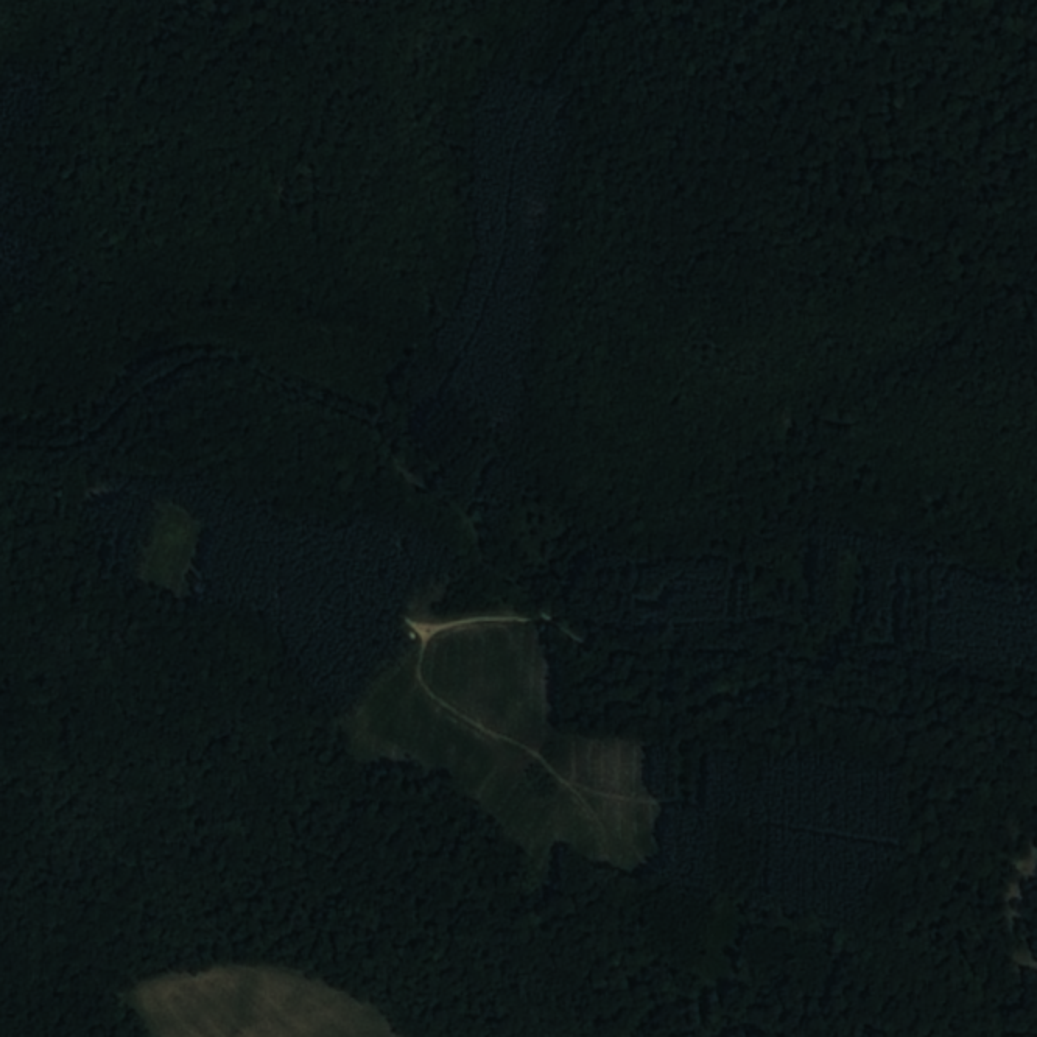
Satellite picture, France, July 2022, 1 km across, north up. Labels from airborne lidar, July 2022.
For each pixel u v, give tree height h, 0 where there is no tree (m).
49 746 19
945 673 18
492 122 28
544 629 16
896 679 21
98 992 18
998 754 24
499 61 22
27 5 16
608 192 23
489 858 15
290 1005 0
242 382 20
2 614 19
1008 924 18
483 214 25
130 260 18
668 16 23
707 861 25
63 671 22
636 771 0
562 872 26
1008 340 24
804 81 24
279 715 21
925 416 14
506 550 16
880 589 18
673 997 29
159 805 19
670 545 23
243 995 0
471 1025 17
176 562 0
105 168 21
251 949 16
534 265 24
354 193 18
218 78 20
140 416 18
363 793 12
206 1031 0
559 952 21
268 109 18
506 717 0
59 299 19
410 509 18
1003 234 23
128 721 20
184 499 26
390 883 20
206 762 18
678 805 21
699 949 11
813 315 15
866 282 18
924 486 20
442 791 23
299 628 25
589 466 19
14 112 26
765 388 17
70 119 17
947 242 19
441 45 19
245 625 22
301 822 18
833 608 23
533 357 21
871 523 25
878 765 18
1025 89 25
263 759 20
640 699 21
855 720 22
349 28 18
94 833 16
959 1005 25
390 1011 16
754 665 33
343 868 20
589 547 11
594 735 20
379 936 20
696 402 14
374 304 19
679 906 14
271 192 21
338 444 20
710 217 21
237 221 17
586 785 0
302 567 27
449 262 19
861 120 25
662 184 23
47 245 20
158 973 14
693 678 15
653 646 22
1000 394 19
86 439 14
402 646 25
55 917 18
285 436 20
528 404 20
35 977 18
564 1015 19
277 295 23
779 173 23
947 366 23
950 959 28
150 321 24
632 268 22
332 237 19
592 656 24
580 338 22
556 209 21
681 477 21
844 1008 22
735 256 23
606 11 18
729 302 18
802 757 22
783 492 24
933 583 26
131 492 24
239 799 18
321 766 14
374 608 28
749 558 23
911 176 22
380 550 25
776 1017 26
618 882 25
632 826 0
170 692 19
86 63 20
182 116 20
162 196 17
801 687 28
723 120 24
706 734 19
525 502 15
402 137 15
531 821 0
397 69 17
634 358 20
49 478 20
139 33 22
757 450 23
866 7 26
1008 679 19
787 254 19
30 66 21
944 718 27
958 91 25
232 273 17
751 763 15
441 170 18
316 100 19
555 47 13
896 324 15
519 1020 18
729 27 24
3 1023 15
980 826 26
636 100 22
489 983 19
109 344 24
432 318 20
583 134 20
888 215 21
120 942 19
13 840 19
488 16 20
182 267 19
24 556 24
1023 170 23
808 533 25
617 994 27
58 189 24
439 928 23
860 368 19
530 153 26
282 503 19
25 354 20
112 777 16
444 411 38
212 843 17
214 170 17
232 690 22
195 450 22
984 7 25
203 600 22
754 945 15
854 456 19
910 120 25
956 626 25
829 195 25
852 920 22
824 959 11
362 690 27
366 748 0
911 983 21
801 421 22
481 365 27
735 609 29
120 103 22
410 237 16
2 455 24
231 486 17
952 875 30
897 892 22
